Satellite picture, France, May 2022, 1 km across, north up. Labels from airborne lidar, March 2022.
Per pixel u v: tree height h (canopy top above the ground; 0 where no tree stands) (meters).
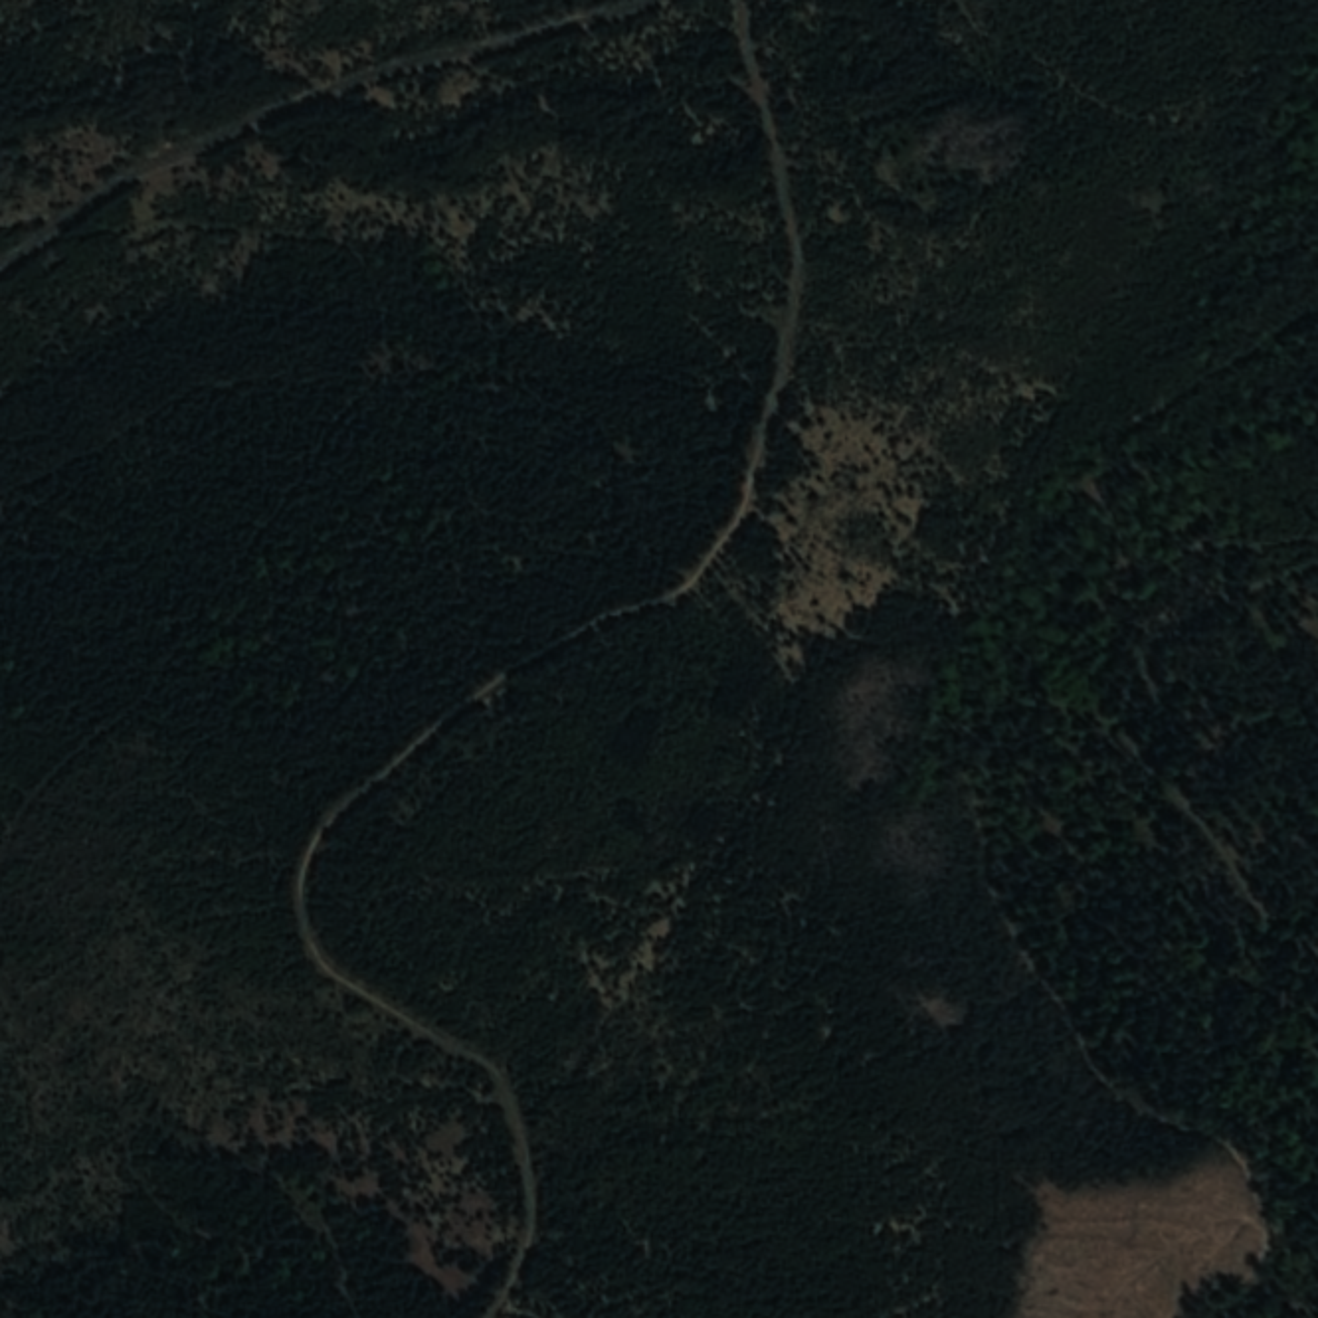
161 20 8
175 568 7
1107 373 8
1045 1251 0
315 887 8
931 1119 10
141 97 19
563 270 9
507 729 6
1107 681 20
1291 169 7
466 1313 15
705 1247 8
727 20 6
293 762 11
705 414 15
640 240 7
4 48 8
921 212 15
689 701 12
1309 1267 6
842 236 7
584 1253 10
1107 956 20
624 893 9
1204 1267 0
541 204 6
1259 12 10
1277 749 8
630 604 12
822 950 11
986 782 32
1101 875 29
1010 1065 15
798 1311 6
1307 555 12
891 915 13
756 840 10
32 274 10
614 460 18
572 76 7
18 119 15
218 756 10
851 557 0
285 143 9
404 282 8
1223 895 34
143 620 9
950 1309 10
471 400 12
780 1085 9
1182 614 25
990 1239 10
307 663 13
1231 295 21
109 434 13
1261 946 29
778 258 9
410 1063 8
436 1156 8
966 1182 10
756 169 16
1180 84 7
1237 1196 0
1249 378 13
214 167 11
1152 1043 16
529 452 14
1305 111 25
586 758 6
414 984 7
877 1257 8
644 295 9
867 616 13
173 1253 15
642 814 10
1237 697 23
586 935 8
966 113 18
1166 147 7
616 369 11
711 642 7
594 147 12
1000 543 11
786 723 12
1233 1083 28
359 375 17
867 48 8
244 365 19
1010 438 8
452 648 15
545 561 11
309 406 14
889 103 15
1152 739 8
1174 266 9
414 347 13
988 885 15
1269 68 14
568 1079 8
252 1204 13
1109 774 35
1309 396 34
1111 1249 0
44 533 11
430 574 7
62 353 7
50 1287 16
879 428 7
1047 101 6
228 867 6
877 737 15
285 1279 13
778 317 0
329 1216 18
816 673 12
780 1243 11
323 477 12
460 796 10
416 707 13
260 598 9
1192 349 17
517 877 6
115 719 10
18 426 17
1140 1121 18
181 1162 14
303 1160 16
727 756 10
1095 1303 0
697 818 9
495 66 8
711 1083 11
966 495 6
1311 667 30
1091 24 9
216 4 8
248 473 10
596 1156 8
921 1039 10
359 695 15
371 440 14
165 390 18
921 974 17
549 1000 8
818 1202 6
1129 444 20
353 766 10
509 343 12
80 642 14
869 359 7
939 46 9
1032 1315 0
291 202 7
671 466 14
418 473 12
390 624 12
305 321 17
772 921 9
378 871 7
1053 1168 15
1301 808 27
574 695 10
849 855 14
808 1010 11
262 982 7
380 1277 19
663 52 7
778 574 12
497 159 7
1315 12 18
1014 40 7
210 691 14
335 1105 6
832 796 16
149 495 11
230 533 10
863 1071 11
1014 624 20
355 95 12
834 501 0
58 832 6
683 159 12
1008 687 6
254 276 9
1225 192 13
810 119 9
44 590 14
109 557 8
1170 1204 0
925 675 14
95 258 6
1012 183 10
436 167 12
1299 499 8
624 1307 9
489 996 8
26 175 9
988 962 21
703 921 7
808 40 7
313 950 0
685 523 19
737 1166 9
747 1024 8
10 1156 7
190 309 11
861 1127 9
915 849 12
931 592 7
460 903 9
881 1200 10
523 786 6
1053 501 17
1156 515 24
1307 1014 19
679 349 11
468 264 9
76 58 6
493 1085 11
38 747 7
